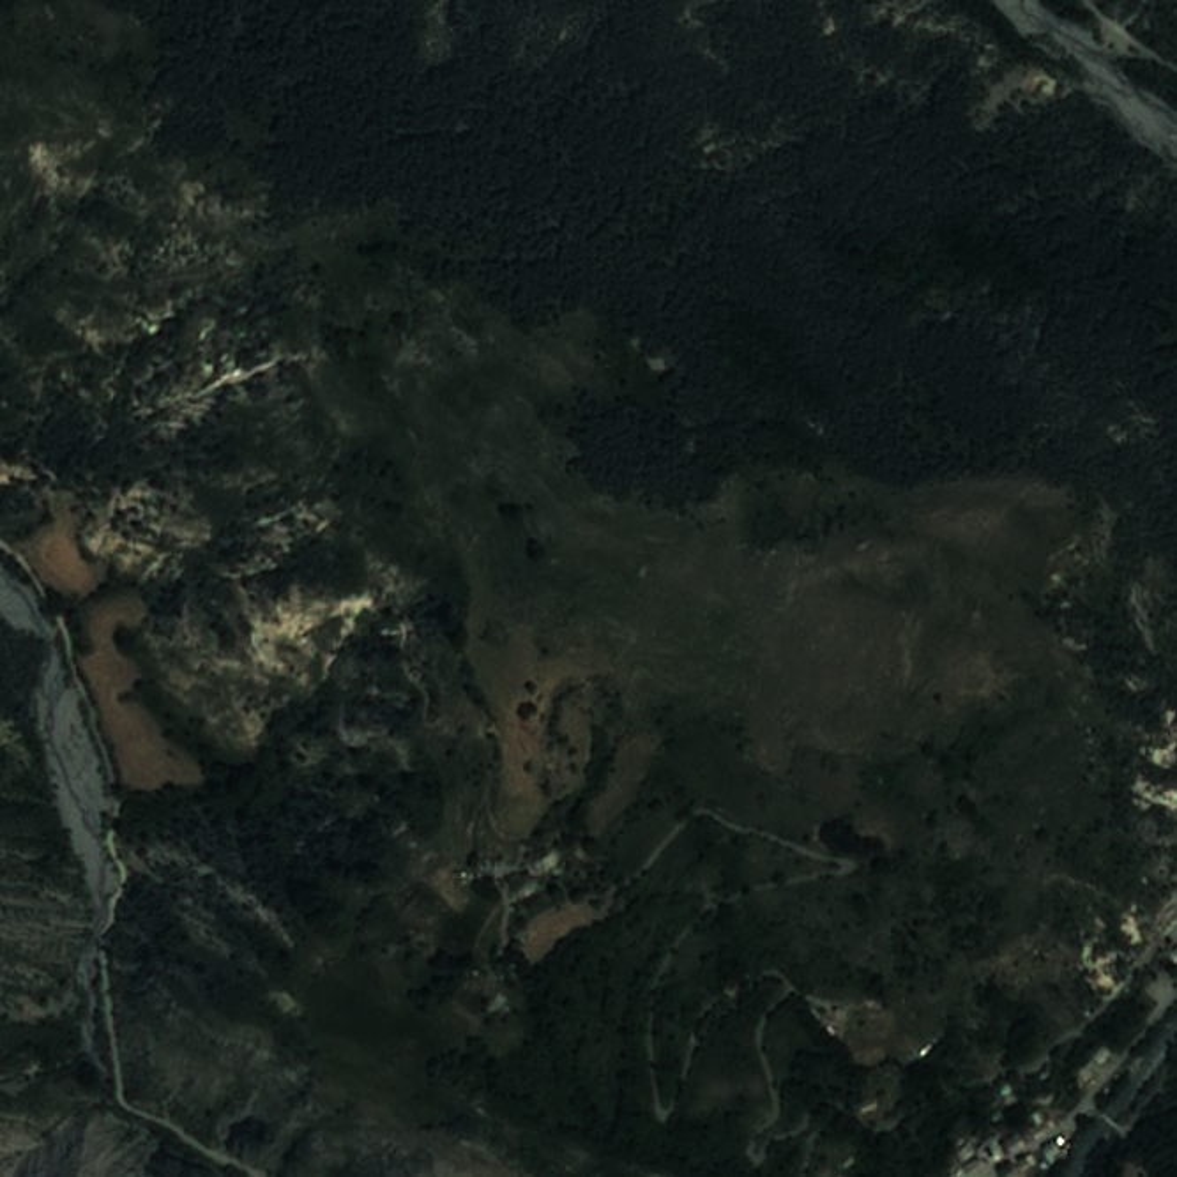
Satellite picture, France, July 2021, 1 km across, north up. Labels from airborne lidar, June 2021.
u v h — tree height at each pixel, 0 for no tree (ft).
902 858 29
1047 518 0
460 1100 0
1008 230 37
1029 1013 24
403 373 0
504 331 0
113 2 28
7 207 0
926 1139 25
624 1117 47
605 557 0
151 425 29
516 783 0
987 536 0
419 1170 0
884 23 26
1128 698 43
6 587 0
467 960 39
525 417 0
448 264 35
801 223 44
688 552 0
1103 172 20
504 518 45
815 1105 51
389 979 0
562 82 44
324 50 58
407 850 0
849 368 27
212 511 0
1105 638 33
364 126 51
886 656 0
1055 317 41
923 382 28
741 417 30
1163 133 0
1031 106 25
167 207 0
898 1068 23
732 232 42
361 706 20
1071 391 22
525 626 0
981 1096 31
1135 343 39
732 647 0
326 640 0
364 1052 0
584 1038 19
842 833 53
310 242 0
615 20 40
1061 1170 46
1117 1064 0
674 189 25
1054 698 18
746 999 28
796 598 0
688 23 19
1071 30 0
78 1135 0
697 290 43
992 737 27
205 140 30
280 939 0
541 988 39
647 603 0
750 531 0
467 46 27
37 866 22
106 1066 29
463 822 0
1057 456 26
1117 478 30
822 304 39
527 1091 18
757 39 43
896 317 45
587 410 32
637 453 41
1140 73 46
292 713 27
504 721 0
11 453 49
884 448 45
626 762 0
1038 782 0
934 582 0
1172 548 23
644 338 26
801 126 28
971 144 41
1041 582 0
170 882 21
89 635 0
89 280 0
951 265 32
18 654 26
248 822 43
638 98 51
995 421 37
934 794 0
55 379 31
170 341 27
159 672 0
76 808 0
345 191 33
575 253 30
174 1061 0
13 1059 21
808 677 0
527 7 21
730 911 45
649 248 39
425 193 36
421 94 53
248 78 53
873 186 42
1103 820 23
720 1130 18
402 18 39
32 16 0
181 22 38
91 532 0
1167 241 29
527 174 46
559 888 56
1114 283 39
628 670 0
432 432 0
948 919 20
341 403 0
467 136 41
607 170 48
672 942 31
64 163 0
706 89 33
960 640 0
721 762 0
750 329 41
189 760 0
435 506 0
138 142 0
